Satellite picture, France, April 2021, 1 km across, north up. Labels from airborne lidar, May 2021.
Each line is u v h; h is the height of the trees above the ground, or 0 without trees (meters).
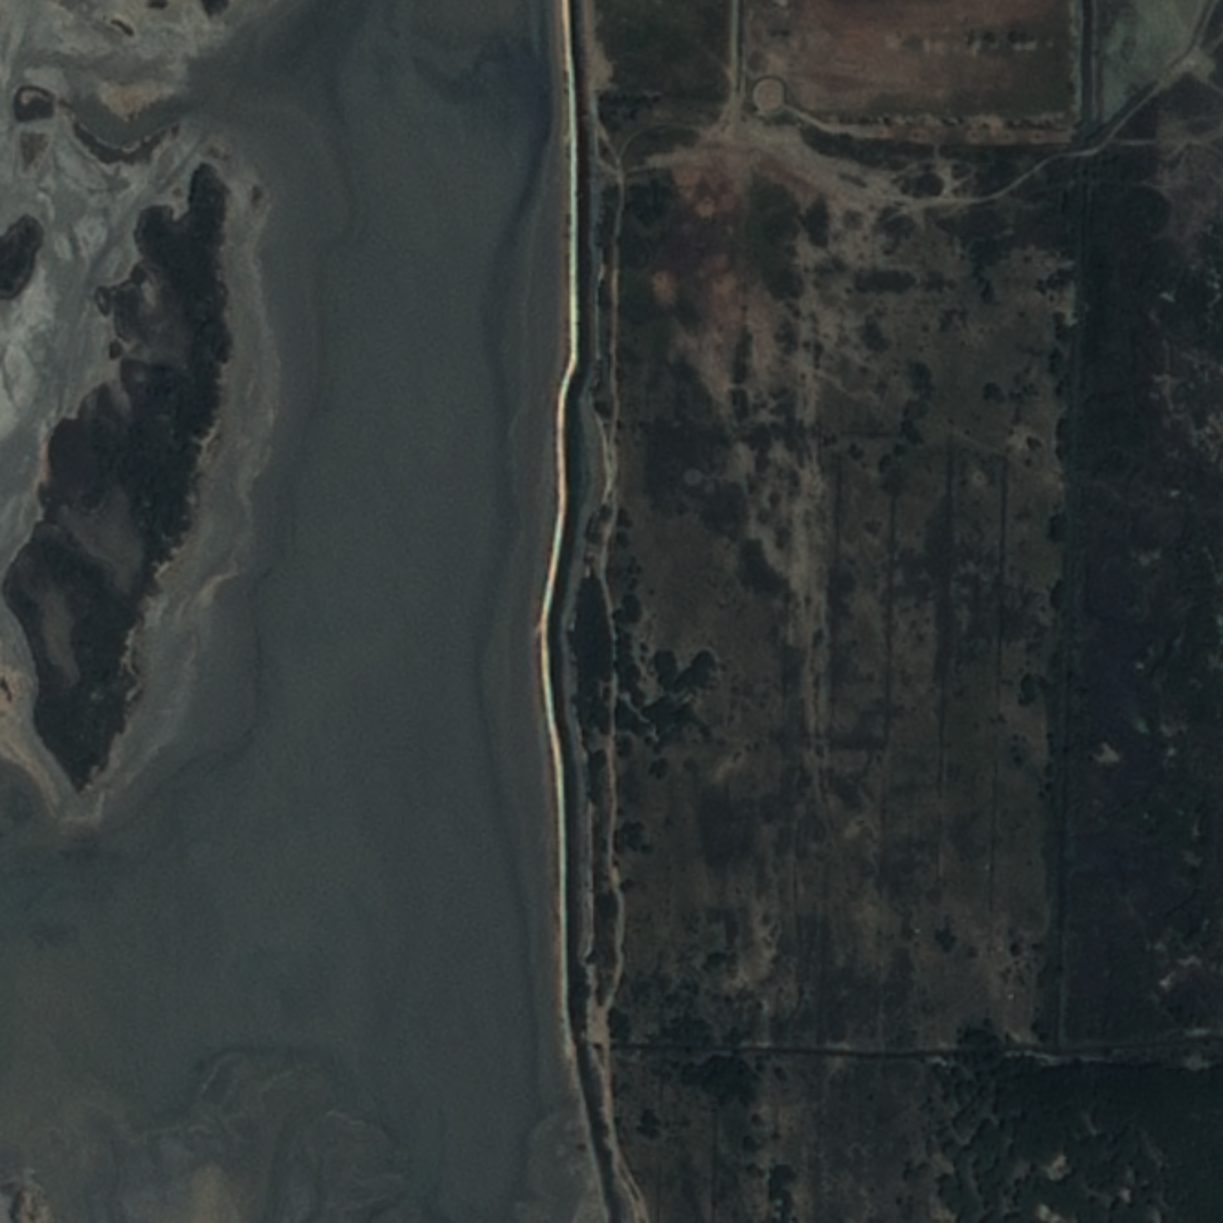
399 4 0
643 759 0
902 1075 0
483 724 0
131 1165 0
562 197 0
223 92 0
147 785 0
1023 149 0
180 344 0
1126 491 0
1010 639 0
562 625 0
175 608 0
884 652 0
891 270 0
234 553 0
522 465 0
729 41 0
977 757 0
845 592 0
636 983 0
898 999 0
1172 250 0
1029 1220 7
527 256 0
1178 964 0
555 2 0
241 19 0
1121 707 0
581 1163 0
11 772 0
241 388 0
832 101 0
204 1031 0
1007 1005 0
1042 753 0
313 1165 0
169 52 0
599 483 0
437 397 0
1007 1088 9
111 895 0
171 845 0
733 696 0
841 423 0
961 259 0
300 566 0
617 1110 0
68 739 0
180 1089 0
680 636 0
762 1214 0
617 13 0
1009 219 0
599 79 0
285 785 0
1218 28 0
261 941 0
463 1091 0
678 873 0
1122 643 0
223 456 0
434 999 0
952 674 0
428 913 0
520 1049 0
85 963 0
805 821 0
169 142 0
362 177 0
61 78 0
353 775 0
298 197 0
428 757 0
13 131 0
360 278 0
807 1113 0
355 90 0
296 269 0
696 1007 0
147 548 0
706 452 0
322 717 0
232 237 0
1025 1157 8
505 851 0
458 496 0
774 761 0
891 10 0
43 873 0
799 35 0
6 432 0
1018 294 0
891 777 0
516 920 0
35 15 0
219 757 0
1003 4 0
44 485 0
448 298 0
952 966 0
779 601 0
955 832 0
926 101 0
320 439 0
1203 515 0
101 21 0
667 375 0
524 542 0
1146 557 0
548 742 0
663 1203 0
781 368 0
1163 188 0
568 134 0
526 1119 0
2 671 0
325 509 0
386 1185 0
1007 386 0
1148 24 0
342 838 0
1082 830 0
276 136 0
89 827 0
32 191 0
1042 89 0
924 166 0
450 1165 0
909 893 0
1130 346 0
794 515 0
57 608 0
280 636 0
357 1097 0
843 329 0
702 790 0
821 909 0
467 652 0
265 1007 0
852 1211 0
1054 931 0
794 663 0
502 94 0
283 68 0
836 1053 0
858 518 0
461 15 0
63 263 0
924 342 0
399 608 0
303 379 0
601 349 0
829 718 0
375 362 0
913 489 0
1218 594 0
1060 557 0
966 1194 9
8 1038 0
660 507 0
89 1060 0
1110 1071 9
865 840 0
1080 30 0
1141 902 0
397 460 0
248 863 0
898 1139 0
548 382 0
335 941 0
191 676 0
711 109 0
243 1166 0
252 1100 0
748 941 0
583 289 0
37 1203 0
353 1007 0
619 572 0
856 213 0
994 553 0
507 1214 0
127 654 0
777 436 0
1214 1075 6
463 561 0
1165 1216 6
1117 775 0
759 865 0
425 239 0
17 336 0
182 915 0
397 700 0
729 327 0
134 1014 0
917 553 0
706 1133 0
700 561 0
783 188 0
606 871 0
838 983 0
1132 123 0
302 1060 0
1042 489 0
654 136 0
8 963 0
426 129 0
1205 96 0
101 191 0
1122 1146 9
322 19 0
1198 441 0
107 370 0
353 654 0
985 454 0
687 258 0
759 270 0
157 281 0
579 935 0
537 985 0
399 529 0
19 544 0
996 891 0
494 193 0
